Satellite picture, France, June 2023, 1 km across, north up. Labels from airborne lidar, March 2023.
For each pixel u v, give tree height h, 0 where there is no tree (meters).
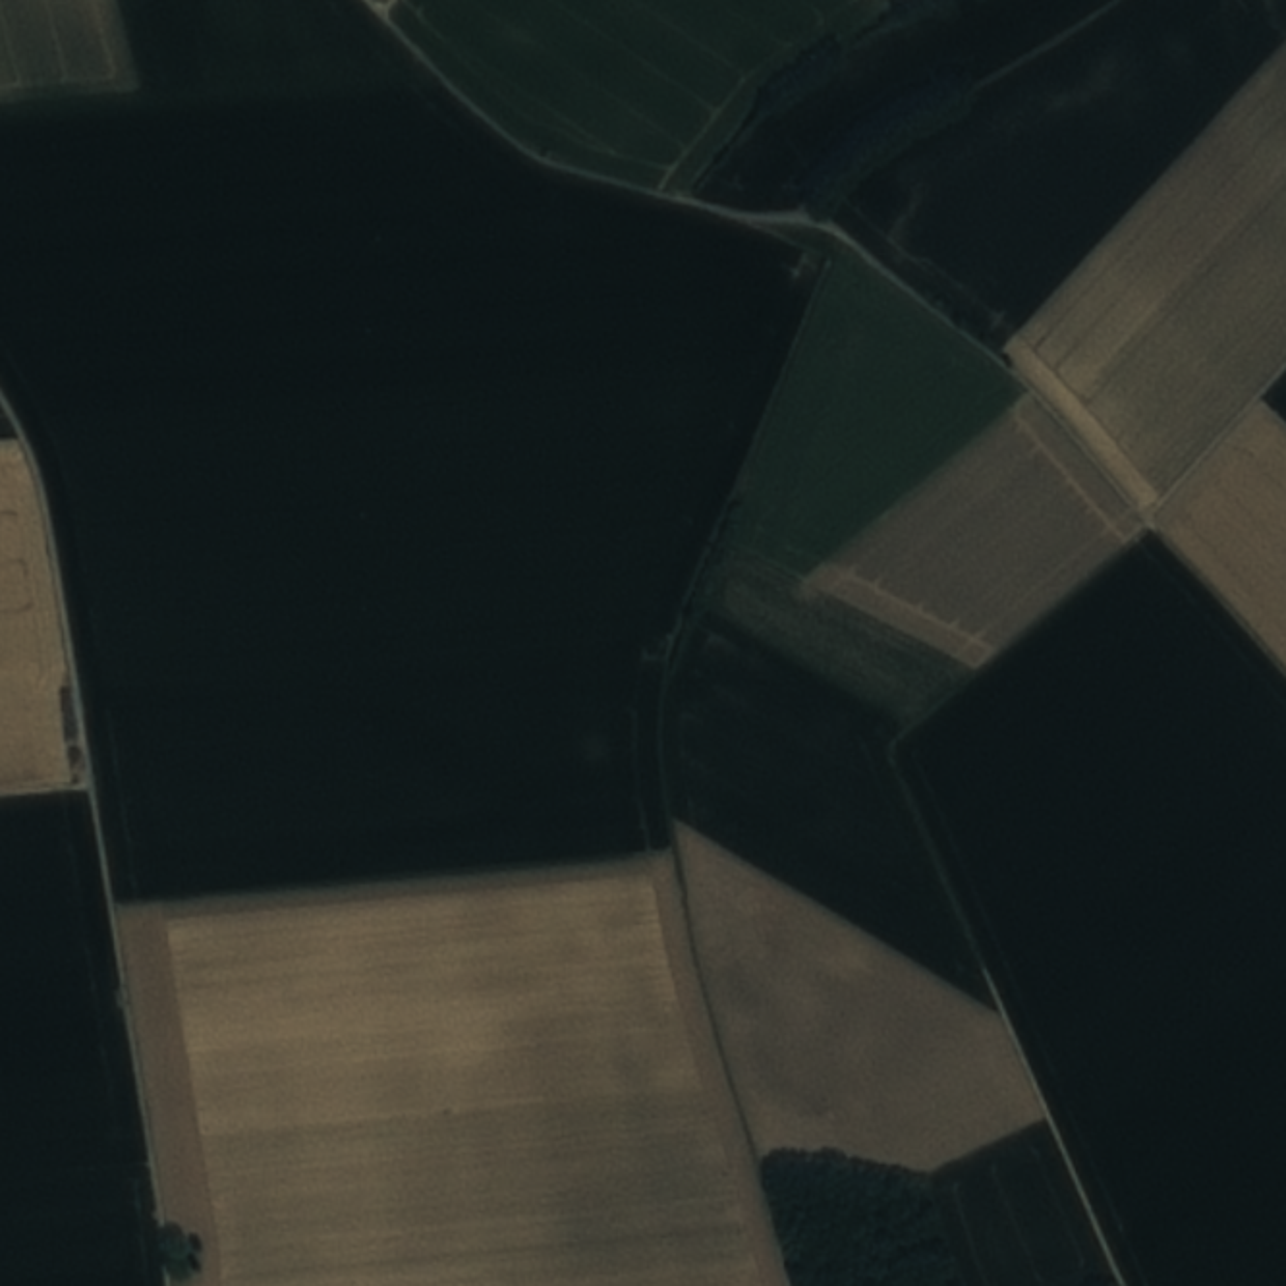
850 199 0
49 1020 0
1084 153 0
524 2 0
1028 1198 0
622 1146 0
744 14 0
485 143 0
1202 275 0
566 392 0
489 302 0
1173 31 0
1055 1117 0
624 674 0
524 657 0
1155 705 0
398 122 0
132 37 0
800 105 0
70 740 0
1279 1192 0
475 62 0
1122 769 0
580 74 0
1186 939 0
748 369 0
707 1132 0
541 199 0
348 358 0
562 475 0
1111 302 0
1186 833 0
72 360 0
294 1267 0
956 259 0
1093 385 0
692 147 0
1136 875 0
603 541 0
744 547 0
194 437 0
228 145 0
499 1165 0
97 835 0
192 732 0
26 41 0
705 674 0
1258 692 0
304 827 0
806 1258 15
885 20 6
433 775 0
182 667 0
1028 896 0
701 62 0
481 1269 0
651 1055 0
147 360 0
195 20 0
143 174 0
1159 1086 0
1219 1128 0
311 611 0
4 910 0
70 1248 0
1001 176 0
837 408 0
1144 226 0
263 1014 0
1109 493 0
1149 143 0
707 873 0
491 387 0
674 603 0
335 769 0
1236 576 0
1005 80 0
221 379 0
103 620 0
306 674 0
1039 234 0
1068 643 0
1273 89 0
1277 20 0
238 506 0
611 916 0
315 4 0
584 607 0
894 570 0
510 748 0
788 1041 0
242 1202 0
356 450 0
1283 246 0
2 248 0
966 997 0
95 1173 0
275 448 0
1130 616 0
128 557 0
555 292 0
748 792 0
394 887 0
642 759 0
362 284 0
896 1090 0
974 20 0
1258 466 0
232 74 0
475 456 0
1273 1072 0
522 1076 0
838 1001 0
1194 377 0
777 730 0
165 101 0
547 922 0
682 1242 0
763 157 0
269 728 0
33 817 0
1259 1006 0
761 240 0
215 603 0
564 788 0
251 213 0
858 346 0
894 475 0
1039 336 0
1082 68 0
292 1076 0
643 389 0
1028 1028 0
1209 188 0
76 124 0
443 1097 0
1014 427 0
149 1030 0
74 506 0
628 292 0
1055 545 0
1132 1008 0
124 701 0
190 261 0
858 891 0
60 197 0
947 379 0
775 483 0
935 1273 20
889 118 23
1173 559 0
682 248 0
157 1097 0
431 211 0
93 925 0
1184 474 0
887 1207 17
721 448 0
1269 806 0
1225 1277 0
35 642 0
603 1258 0
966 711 0
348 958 0
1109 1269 0
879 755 0
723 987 0
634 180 0
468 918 0
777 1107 0
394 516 0
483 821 0
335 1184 0
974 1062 0
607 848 0
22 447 0
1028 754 0
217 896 0
